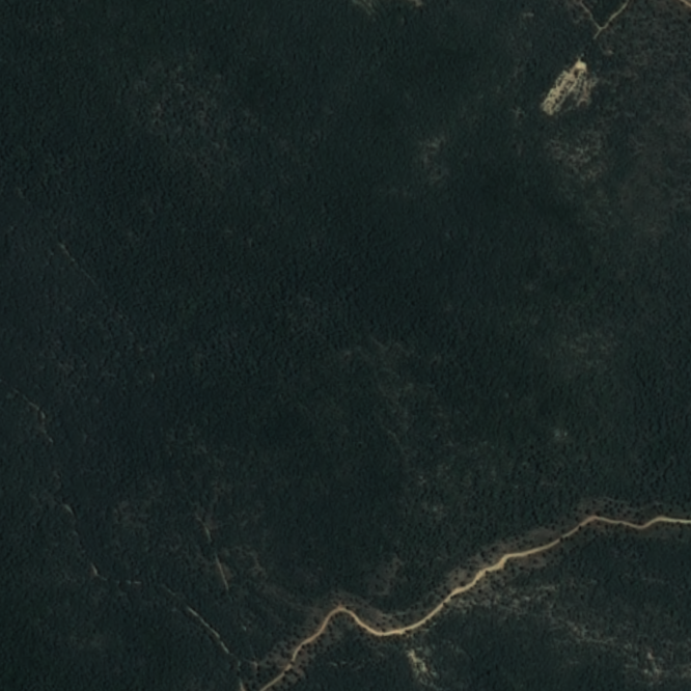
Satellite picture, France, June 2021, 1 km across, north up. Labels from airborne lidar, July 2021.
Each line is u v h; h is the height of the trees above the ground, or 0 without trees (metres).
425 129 7
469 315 9
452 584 0
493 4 5
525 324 7
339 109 8
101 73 10
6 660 15
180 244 11
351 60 6
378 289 11
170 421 8
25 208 11
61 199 12
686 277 7
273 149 8
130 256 15
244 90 6
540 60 6
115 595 9
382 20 5
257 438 6
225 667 12
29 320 10
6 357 12
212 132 7
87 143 14
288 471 7
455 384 7
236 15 7
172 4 9
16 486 9
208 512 8
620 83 7
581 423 8
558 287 19
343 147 6
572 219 6
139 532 9
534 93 8
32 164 15
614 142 5
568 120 6
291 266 12
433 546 13
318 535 6
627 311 10
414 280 12
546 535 0
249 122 6
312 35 9
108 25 7
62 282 10
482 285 10
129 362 9
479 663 7
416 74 10
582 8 8
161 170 11
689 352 10
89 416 10
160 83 7
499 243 8
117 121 11
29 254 12
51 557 10
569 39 7
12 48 10
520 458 14
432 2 6
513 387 7
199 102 7
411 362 6
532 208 8
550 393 11
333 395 6
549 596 8
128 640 7
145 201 6
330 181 7
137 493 10
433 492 11
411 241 10
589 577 6
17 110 10
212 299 10
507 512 8
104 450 12
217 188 9
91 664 8
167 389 11
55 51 10
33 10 10
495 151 7
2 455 8
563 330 7
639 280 7
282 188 7
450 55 10
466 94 6
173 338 10
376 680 14
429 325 13
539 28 5
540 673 9
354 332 12
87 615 7
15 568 10
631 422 9
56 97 7
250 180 8
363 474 8
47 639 11
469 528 6
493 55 7
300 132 8
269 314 8
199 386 11
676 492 12
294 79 8
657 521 0
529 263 9
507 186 6
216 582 9
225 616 8
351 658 11
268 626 6
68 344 9
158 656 11
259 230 12
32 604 11
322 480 5
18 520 12
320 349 13
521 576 6
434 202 7
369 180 9
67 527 11
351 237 10
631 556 9
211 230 6
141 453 7
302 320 8
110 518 12
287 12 9
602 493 7
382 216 8
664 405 9
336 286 12
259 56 7
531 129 6
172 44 7
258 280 12
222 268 8
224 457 6
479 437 6
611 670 7
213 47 12
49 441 8
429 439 6
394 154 8
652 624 8
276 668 9
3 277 16
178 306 11
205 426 7
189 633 7
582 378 13
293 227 9
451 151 9
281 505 6
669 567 9
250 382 8
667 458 12
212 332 14
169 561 9
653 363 12
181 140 8
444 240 6
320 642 8
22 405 8
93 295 8
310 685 12
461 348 14
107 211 10
